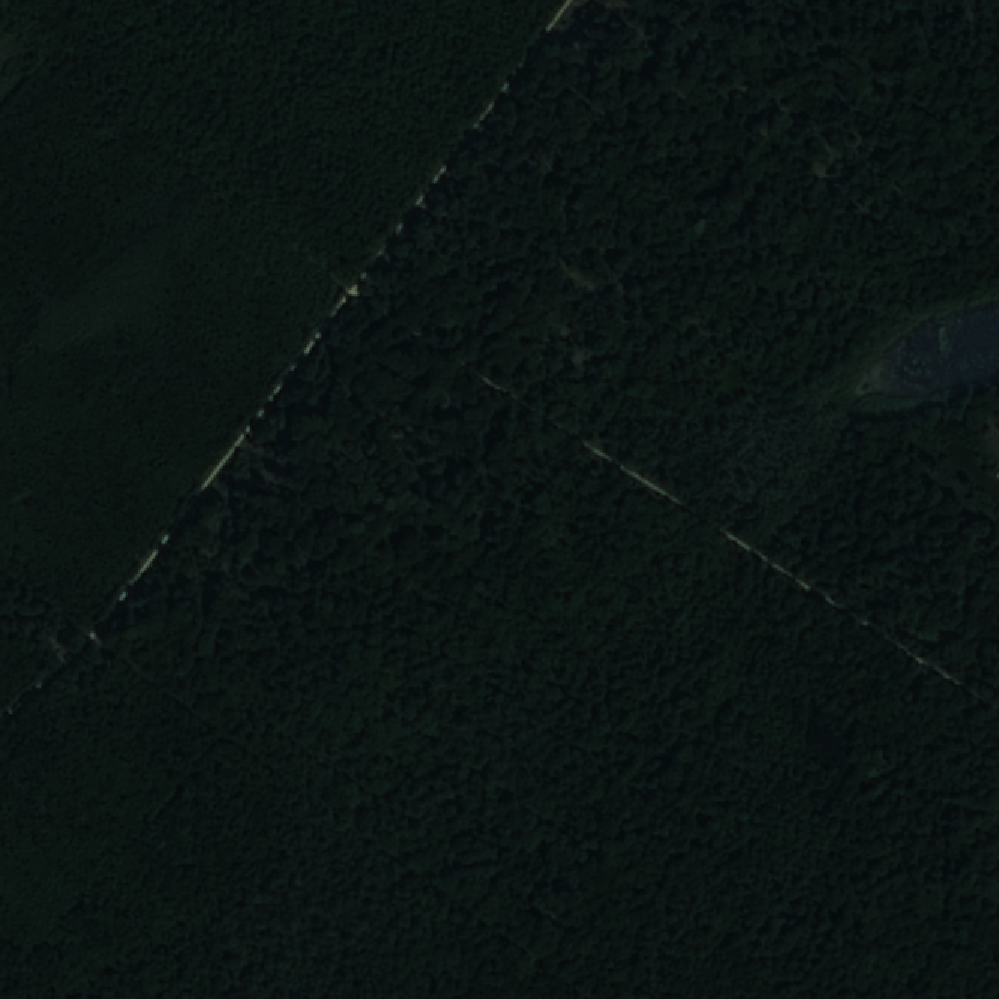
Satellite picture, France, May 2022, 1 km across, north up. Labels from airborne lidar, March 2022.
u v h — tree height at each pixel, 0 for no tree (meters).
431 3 22
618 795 24
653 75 34
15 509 13
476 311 27
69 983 17
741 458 24
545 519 26
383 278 25
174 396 15
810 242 27
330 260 17
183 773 20
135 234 13
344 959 16
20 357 17
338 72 23
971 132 28
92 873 18
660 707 25
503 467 33
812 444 23
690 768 26
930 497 30
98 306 19
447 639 23
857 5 26
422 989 28
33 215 13
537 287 33
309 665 25
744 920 27
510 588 25
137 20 23
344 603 26
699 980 21
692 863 28
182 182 11
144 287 18
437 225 25
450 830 24
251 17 25
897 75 19
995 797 30
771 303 20
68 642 22
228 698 25
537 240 27
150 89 23
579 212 25
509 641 23
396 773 20
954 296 19
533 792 25
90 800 14
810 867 27
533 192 27
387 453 35
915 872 30
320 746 22
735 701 20
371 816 25
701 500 17
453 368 32
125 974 19
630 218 27
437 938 25
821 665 25
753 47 30
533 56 25
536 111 25
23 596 28
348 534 31
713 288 23
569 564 24
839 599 20
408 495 36
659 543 21
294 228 19
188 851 22
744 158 25
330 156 23
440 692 24
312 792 18
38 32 19
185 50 23
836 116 28
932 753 26
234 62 24
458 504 38
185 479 9
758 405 23
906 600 31
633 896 27
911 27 29
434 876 24
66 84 12
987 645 30
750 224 28
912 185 24
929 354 0
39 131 13
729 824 26
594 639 22
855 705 25
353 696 25
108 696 22
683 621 24
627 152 24
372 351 27
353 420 30
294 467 33
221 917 22
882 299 19
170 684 22
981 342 0
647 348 28
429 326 16
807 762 23
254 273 10
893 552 25
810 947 23
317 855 25
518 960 27
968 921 26
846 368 14
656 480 23
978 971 23
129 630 28
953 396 6
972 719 26
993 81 31
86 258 15
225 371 12
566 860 30
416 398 34
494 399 31
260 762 14
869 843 26
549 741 23
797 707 22
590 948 26
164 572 25
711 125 30
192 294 11
